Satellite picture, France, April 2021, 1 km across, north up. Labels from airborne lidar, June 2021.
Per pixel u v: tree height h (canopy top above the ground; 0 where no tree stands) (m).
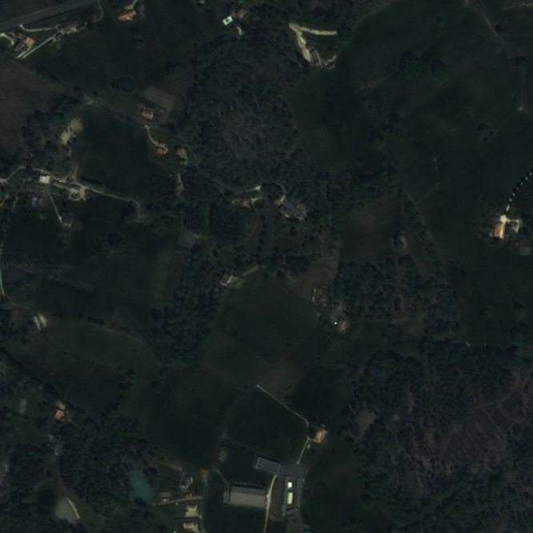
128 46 0
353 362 0
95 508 13
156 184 6
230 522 0
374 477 14
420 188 0
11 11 0
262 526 0
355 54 0
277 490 0
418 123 0
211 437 0
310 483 0
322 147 0
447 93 0
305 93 0
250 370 0
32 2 0
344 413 0
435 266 12
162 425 0
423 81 0
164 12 0
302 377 0
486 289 0
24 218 0
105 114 0
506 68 0
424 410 21
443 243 0
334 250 8
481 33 0
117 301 0
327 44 0
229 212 12
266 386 0
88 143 0
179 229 12
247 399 0
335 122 0
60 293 0
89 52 0
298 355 0
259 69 10
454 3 0
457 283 0
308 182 14
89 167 0
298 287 0
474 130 0
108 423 17
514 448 18
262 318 0
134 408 0
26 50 0
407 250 0
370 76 0
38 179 8
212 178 13
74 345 0
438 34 0
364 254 0
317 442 0
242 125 11
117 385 0
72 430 13
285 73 17
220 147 10
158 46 0
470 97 0
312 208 13
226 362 0
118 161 0
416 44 0
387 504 19
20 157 13
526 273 0
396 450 10
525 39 0
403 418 15
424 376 28
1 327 7
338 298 12
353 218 0
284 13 7
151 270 0
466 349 9
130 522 0
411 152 0
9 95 0
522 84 0
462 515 16
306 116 0
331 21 20
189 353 20
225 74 22
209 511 0
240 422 0
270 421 0
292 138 14
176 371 0
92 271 0
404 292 12
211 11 0
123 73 0
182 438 0
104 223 0
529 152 0
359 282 21
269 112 11
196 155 15
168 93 0
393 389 20
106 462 20
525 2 0
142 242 0
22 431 0
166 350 14
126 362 0
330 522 0
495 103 0
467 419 18
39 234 0
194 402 0
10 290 0
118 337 0
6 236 8
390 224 0
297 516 0
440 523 16
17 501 25
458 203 0
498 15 0
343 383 0
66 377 0
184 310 17
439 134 0
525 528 25
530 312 0
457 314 18
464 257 0
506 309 0
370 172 0
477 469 21
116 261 0
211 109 14
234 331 0
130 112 0
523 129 0
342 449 0
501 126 0
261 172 13
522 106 0
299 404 0
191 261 6
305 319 0
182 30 0
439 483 28
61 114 15
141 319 0
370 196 21
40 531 17
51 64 0
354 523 17
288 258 8
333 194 23
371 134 0
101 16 0
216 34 0
